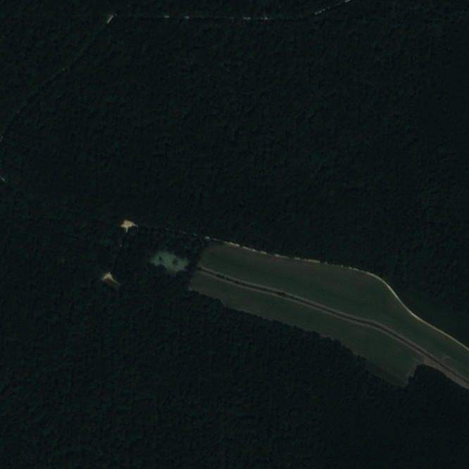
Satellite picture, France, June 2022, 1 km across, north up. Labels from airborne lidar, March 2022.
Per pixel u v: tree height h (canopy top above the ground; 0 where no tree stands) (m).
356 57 22
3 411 21
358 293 0
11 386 14
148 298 15
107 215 16
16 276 18
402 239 15
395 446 17
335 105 23
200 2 22
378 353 0
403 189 18
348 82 23
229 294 0
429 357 0
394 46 19
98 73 21
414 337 0
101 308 15
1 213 20
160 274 17
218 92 21
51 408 22
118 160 20
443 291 18
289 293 0
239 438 23
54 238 26
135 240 19
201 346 17
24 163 15
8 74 22
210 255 0
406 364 0
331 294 0
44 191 17
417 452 15
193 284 0
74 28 15
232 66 12
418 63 22
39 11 16
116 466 23
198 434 22
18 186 18
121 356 16
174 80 17
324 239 17
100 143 26
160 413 23
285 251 13
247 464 20
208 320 19
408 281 13
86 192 15
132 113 19
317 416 18
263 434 23
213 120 26
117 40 20
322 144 17
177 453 23
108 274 0
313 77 19
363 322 0
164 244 18
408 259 12
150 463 24
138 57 21
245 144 22
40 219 24
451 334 0
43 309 17
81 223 19
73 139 25
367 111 17
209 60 21
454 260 20
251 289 0
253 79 18
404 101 22
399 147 17
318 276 0
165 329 20
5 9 18
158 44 16
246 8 20
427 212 16
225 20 19
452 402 19
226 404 16
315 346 18
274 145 23
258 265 0
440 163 15
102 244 15
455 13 17
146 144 21
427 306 0
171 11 19
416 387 14
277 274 0
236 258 0
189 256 21
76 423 22
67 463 24
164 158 18
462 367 0
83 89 18
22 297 19
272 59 20
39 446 22
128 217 12
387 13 20
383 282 0
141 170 22
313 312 0
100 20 17
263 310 0
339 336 0
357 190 18
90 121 23
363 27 21
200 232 18
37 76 20
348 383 20
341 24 21
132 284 15
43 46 24
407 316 0
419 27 21
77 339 23
